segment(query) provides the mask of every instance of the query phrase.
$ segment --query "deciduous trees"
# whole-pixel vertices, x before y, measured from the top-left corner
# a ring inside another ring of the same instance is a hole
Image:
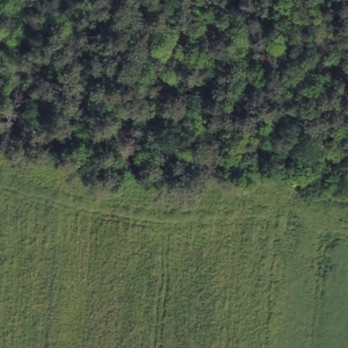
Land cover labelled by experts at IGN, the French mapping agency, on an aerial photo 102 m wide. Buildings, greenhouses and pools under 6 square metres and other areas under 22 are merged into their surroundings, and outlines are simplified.
[[[8,46],[18,45],[23,30],[20,27],[3,29],[0,26],[0,41],[7,43]]]
[[[243,58],[249,49],[249,41],[246,38],[237,38],[220,53],[205,54],[193,49],[192,54],[184,54],[181,63],[188,63],[194,68],[204,68],[212,67],[215,60],[230,61]]]
[[[208,11],[196,16],[196,30],[189,37],[200,38],[207,31],[208,24],[215,18],[213,11]]]
[[[226,113],[234,110],[235,103],[246,88],[246,72],[237,72],[232,79],[232,91],[227,95],[224,105]]]
[[[124,175],[120,188],[107,196],[117,204],[125,205],[130,200],[137,200],[143,188],[129,171]]]
[[[175,35],[170,34],[164,38],[158,49],[152,50],[152,56],[164,63],[169,60],[171,50],[178,41]]]
[[[325,162],[322,144],[318,143],[300,152],[295,159],[298,162],[295,170],[287,169],[283,164],[273,167],[272,177],[281,175],[284,181],[294,179],[298,185],[296,190],[306,203],[321,201],[324,208],[337,207],[348,211],[348,156],[340,162]]]
[[[329,83],[330,76],[321,75],[315,86],[304,88],[303,94],[306,97],[318,98],[321,92],[325,91],[325,84]]]
[[[35,103],[29,103],[22,114],[23,120],[29,122],[31,128],[38,128],[38,107]]]
[[[12,15],[22,10],[23,4],[20,0],[0,0],[0,14]]]

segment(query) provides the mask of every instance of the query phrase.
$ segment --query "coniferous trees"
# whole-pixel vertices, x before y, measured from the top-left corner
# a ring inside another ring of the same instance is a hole
[[[12,15],[0,14],[0,26],[3,29],[20,27],[23,30],[18,45],[8,46],[7,43],[0,41],[0,152],[5,159],[20,164],[31,162],[34,166],[43,167],[45,164],[53,166],[57,163],[65,174],[67,184],[71,179],[82,179],[83,184],[88,186],[91,196],[107,196],[120,188],[124,175],[129,171],[143,188],[151,190],[155,198],[181,196],[188,200],[204,197],[208,192],[219,189],[227,196],[235,194],[237,197],[246,196],[253,200],[258,196],[256,190],[262,186],[272,189],[284,188],[285,192],[291,193],[296,190],[298,185],[294,179],[284,181],[281,175],[272,177],[273,167],[283,164],[287,169],[295,170],[298,162],[295,159],[300,152],[318,143],[322,144],[325,162],[340,162],[348,156],[348,0],[20,0],[23,4],[22,10]],[[215,18],[208,24],[207,31],[200,38],[189,37],[196,30],[196,16],[208,11],[213,11]],[[164,63],[152,56],[152,50],[158,49],[164,38],[170,34],[175,35],[178,41],[171,50],[169,60]],[[220,53],[237,38],[246,38],[249,41],[249,49],[243,58],[230,61],[215,60],[212,67],[204,68],[194,68],[188,63],[181,63],[184,54],[192,54],[193,49],[205,54]],[[232,91],[232,79],[237,72],[246,72],[246,88],[235,103],[234,110],[226,113],[224,105],[227,95]],[[321,92],[318,98],[306,97],[303,94],[304,88],[315,86],[321,75],[330,76],[329,83],[325,84],[325,91]],[[22,114],[29,103],[35,103],[38,107],[38,128],[31,128],[29,122],[23,120]]]

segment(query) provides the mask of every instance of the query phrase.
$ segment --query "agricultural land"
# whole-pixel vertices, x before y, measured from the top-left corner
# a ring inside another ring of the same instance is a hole
[[[227,196],[219,189],[208,192],[204,197],[188,200],[181,196],[155,198],[151,190],[143,188],[137,200],[130,200],[125,205],[117,204],[107,196],[91,196],[88,186],[83,184],[82,179],[71,179],[67,184],[65,174],[57,163],[53,166],[45,164],[43,167],[34,166],[31,162],[20,164],[5,159],[0,152],[0,348],[348,348],[348,211],[337,207],[324,208],[321,201],[306,203],[296,190],[291,193],[285,192],[284,188],[272,189],[262,186],[256,190],[258,196],[253,200],[246,196],[237,197],[235,194]]]

